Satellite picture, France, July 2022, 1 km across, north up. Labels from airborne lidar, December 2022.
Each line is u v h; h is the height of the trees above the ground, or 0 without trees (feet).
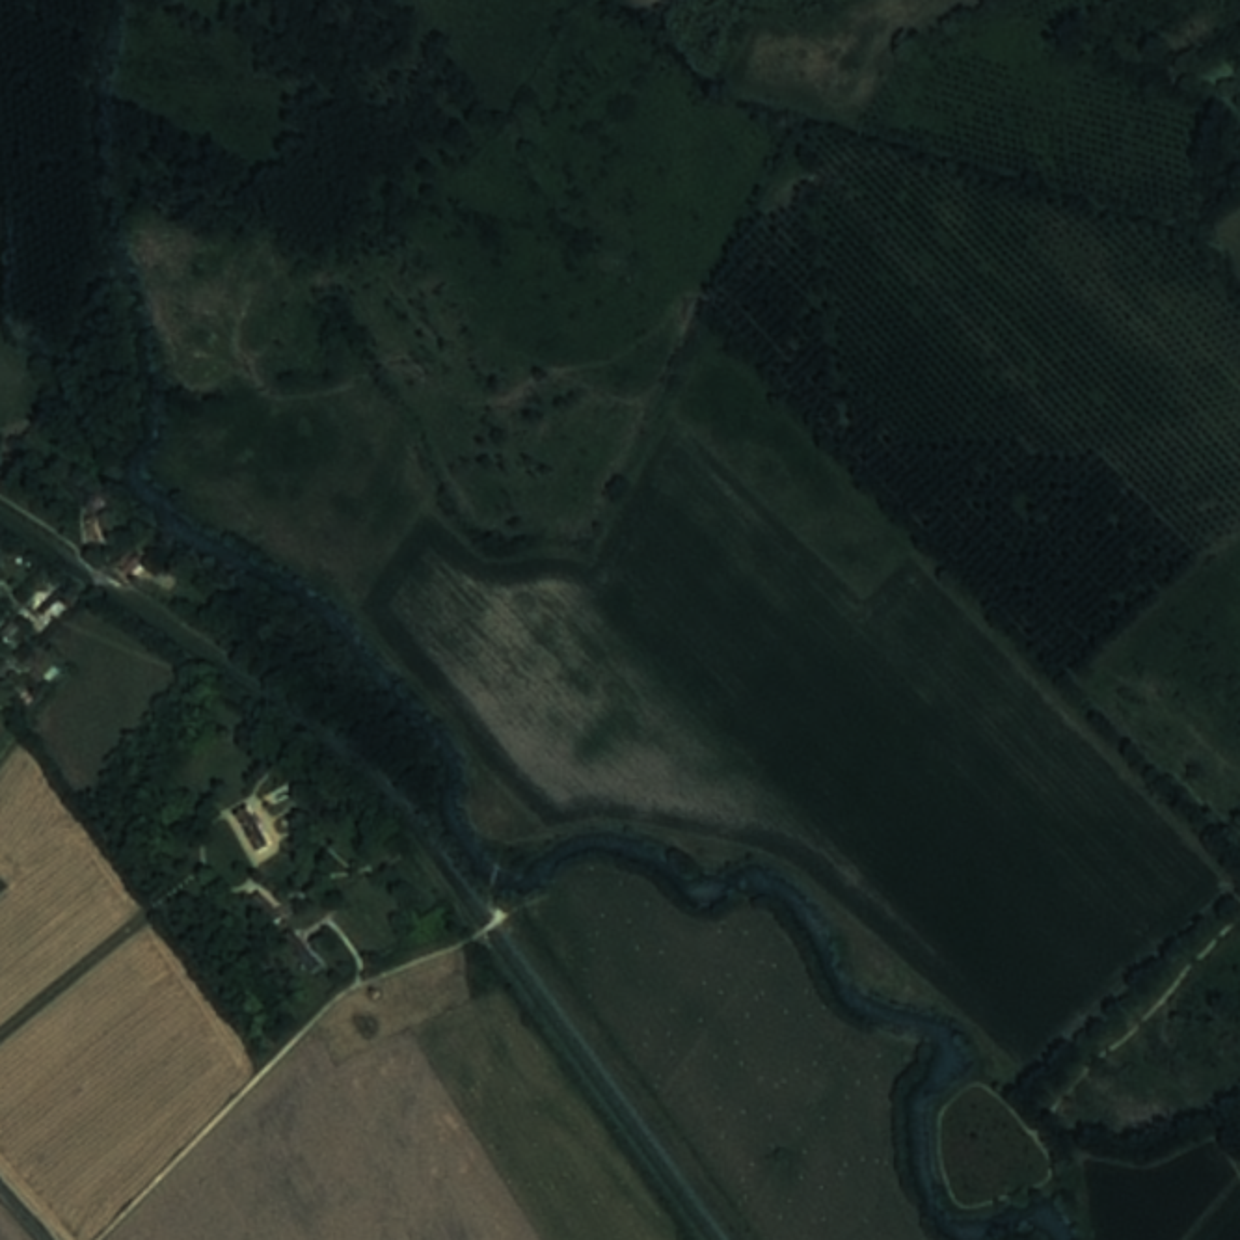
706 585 0
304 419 0
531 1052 0
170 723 56
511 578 0
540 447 0
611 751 0
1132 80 23
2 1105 0
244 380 0
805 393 75
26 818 0
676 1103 0
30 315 104
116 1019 0
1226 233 0
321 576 0
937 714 0
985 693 0
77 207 111
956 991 0
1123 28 27
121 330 111
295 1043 0
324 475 0
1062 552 81
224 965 47
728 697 0
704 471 0
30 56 112
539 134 0
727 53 55
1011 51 0
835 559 0
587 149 0
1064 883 0
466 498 0
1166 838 0
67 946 0
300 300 0
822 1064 0
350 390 0
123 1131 0
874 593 0
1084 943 0
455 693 0
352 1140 0
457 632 0
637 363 0
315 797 23
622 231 0
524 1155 0
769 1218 0
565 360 0
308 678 75
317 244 98
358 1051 0
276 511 0
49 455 0
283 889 21
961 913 0
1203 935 49
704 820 0
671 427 0
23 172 103
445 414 0
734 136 0
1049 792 0
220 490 0
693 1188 0
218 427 0
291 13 80
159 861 49
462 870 42
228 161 112
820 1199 0
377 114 75
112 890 0
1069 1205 37
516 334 0
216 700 57
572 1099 0
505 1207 0
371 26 94
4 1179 0
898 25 0
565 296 0
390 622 0
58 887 0
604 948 0
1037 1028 0
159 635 54
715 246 0
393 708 50
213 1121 0
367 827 72
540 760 0
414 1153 0
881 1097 0
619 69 0
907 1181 36
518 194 0
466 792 29
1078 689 18
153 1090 0
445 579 0
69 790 41
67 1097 0
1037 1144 0
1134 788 0
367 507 0
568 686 0
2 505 0
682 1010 0
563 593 0
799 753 0
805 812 0
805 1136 0
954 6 0
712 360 0
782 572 0
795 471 0
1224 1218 0
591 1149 0
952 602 0
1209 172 110
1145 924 0
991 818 0
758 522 0
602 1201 0
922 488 81
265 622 44
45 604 0
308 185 91
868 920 0
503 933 0
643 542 0
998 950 0
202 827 49
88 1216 0
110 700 0
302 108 83
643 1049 0
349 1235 0
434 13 0
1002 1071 0
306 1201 0
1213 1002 27
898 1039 0
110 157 113
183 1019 0
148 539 38
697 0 67
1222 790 0
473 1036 0
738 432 0
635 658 0
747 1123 0
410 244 62
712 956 0
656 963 0
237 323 0
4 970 0
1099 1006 0
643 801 0
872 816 0
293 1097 0
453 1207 0
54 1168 0
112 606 65
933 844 0
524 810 0
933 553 86
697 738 0
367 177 95
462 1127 0
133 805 48
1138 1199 0
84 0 109
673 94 0
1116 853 0
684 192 0
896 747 0
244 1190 0
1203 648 19
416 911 26
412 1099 0
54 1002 0
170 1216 0
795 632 0
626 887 0
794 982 0
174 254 0
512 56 0
